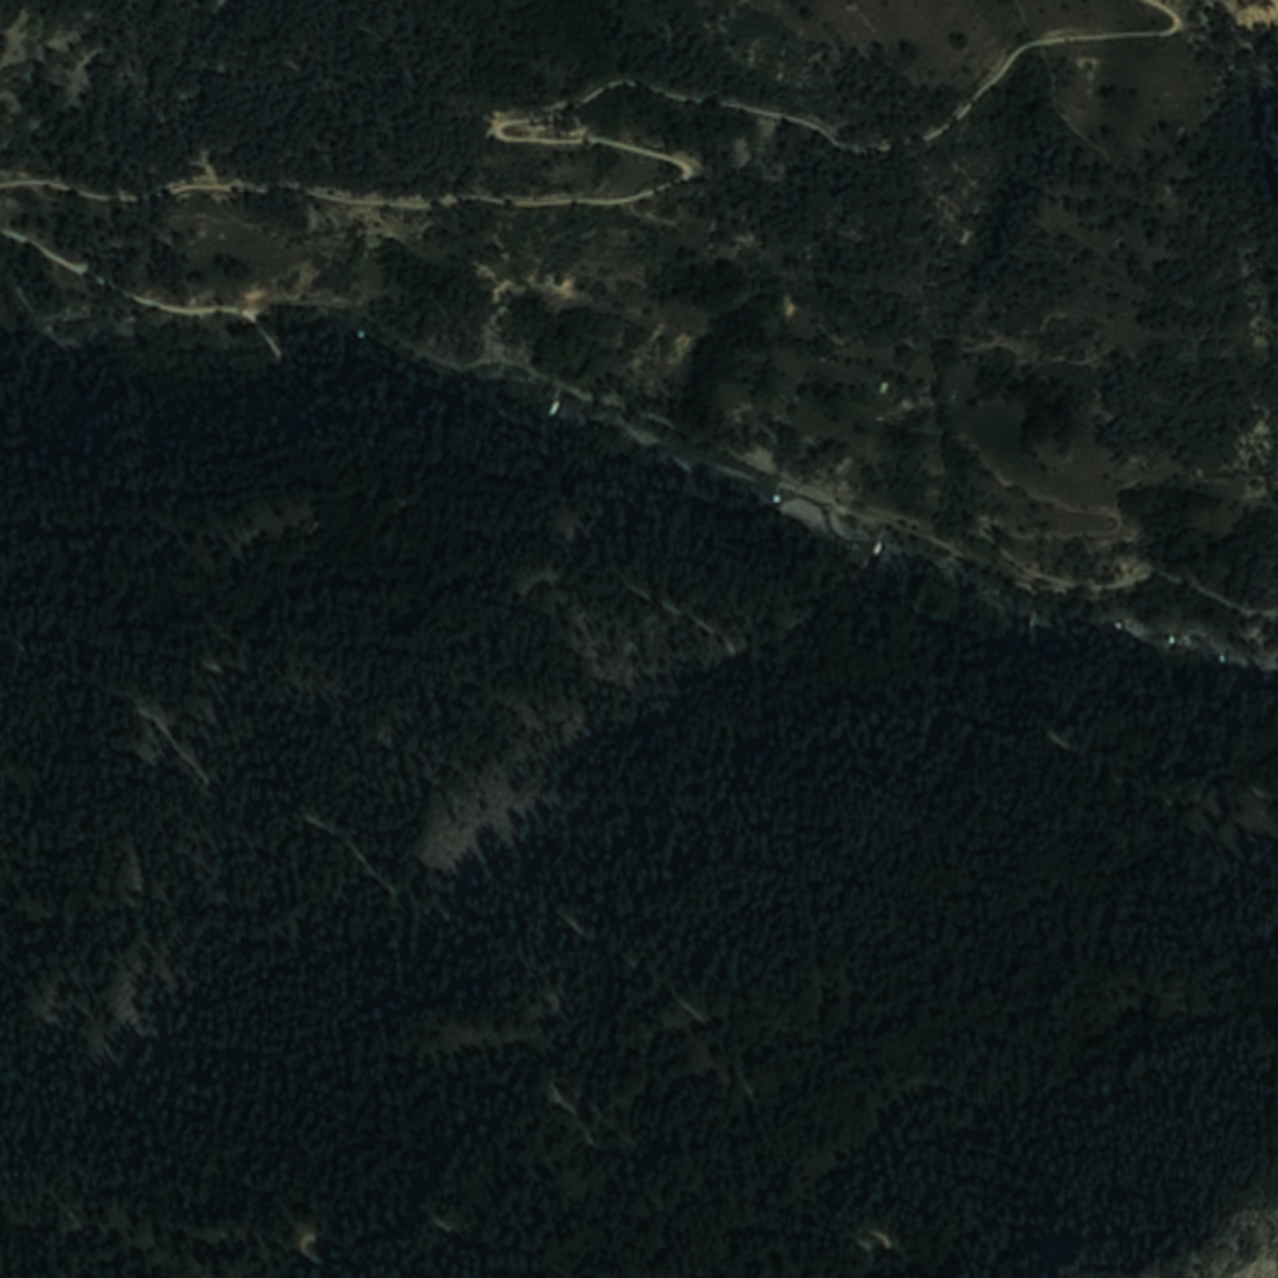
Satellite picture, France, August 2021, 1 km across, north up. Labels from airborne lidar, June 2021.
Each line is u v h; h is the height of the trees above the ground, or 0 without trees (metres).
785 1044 12
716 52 8
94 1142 12
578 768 15
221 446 19
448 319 8
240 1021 22
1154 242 16
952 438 9
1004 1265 13
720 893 20
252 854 25
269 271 0
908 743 22
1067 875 18
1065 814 23
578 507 21
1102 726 26
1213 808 0
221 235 0
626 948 28
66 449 19
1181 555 13
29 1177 23
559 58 7
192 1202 6
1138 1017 15
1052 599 13
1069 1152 13
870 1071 8
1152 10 0
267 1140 12
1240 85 9
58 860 6
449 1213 27
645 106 19
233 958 25
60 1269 14
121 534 12
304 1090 11
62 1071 18
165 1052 8
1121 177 7
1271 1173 8
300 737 22
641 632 20
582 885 24
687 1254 22
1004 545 8
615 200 0
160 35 10
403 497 11
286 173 12
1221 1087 16
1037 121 15
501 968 20
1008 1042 9
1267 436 6
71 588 29
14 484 31
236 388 6
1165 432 12
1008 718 12
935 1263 15
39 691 25
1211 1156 15
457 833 0
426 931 8
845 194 13
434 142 16
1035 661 29
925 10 0
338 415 10
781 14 0
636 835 9
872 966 16
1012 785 15
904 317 15
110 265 8
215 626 9
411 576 16
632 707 17
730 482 10
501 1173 19
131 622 27
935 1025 17
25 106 18
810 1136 20
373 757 23
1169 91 0
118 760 22
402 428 30
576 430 11
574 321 8
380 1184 10
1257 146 10
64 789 19
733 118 8
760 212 11
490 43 11
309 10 21
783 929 27
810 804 24
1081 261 6
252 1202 18
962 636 18
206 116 15
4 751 8
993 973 13
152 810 19
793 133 19
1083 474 0
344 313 6
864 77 11
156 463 6
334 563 16
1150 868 18
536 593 7
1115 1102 9
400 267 8
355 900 23
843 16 0
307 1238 0
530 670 21
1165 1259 17
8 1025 24
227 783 22
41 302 19
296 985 24
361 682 22
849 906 31
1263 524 8
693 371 9
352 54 15
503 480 10
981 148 10
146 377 6
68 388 13
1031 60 8
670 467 7
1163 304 9
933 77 6
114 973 18
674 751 23
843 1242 25
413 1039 27
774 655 19
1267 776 13
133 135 6
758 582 25
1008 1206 21
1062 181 14
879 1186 29
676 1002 21
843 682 12
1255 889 27
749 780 27
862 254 12
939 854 13
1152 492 11
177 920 8
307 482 15
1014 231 16
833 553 8
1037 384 11
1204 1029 9
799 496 0
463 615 26
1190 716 33
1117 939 35
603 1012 12
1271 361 9
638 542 28
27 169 6
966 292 7
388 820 20
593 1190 8
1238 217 10
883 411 0
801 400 11
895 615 25
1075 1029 12
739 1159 25
